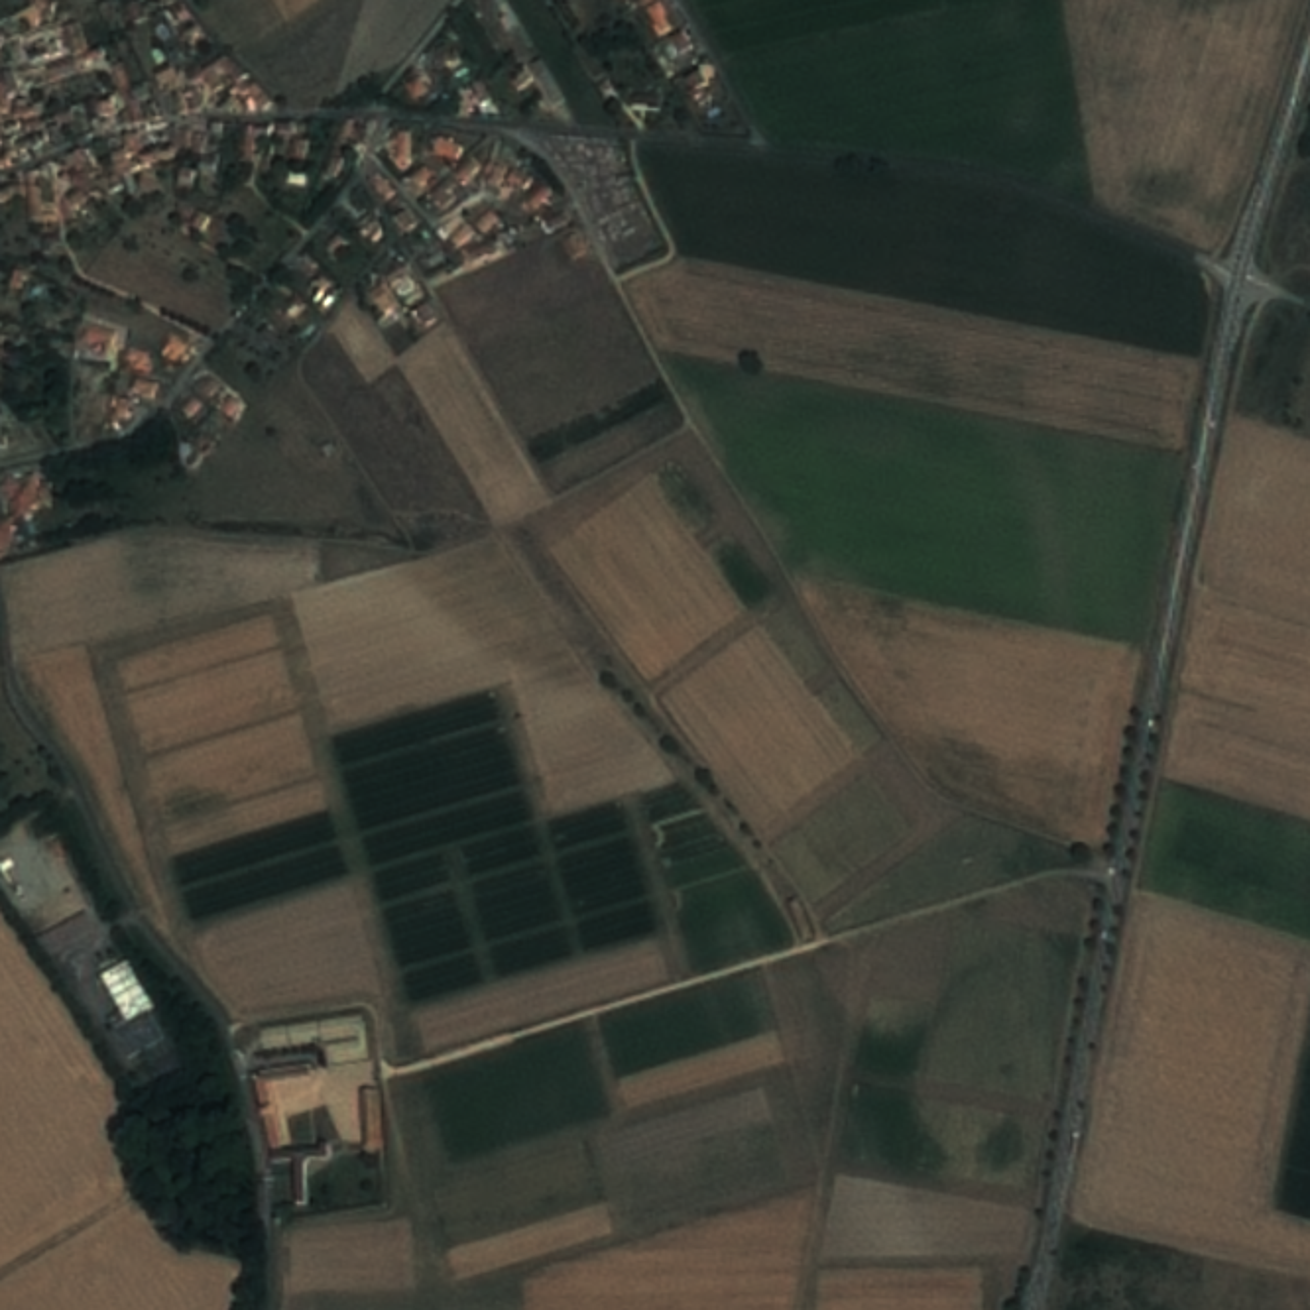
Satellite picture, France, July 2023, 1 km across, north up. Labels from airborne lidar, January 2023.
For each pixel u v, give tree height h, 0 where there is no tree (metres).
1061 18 0
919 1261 0
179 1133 20
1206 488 0
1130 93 0
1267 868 0
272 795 0
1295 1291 0
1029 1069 0
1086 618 0
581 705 0
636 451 0
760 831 0
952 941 0
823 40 0
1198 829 0
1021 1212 0
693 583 0
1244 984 0
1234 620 0
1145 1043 0
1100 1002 0
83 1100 0
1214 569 0
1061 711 0
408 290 0
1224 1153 0
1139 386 0
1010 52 0
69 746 0
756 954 0
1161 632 0
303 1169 0
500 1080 0
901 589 0
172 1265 0
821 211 0
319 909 0
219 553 0
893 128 0
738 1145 0
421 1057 0
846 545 0
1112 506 0
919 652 0
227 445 0
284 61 0
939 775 0
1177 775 0
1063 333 0
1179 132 0
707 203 0
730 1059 0
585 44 11
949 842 0
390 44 0
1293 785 0
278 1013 0
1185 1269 0
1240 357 0
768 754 0
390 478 0
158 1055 0
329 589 0
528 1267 0
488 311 0
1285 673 0
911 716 0
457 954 0
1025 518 0
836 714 0
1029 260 0
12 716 0
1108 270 0
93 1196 0
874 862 0
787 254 0
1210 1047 0
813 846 0
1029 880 0
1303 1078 0
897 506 0
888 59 0
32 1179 0
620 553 0
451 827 0
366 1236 0
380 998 0
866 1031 0
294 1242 0
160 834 0
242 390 0
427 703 0
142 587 0
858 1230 0
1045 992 0
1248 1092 0
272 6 0
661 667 0
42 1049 0
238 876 0
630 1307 0
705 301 0
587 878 0
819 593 0
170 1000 11
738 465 0
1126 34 0
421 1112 0
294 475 0
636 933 0
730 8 0
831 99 0
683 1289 0
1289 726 0
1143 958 0
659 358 0
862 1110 0
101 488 7
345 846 0
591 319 0
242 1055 0
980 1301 0
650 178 0
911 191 0
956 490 0
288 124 0
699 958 0
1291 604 0
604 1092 0
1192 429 0
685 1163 0
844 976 0
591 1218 0
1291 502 0
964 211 0
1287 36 0
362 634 0
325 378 0
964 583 0
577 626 0
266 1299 10
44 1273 0
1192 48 0
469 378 0
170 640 0
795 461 0
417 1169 0
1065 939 0
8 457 0
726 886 0
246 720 0
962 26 0
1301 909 0
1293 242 0
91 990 0
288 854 0
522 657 0
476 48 0
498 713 0
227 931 0
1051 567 0
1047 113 0
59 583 0
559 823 0
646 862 0
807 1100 0
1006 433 0
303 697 0
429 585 0
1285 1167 0
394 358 0
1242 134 0
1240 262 0
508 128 0
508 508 0
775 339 0
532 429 0
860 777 0
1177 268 0
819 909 0
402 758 0
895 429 0
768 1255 0
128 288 0
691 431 0
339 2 0
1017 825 0
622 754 0
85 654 0
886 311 0
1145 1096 0
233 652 0
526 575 0
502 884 0
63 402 13
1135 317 0
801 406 0
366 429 0
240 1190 25
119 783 0
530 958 0
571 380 0
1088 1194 0
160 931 0
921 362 0
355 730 0
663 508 0
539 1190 0
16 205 10
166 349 0
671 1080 0
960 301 0
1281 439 0
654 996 0
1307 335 0
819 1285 0
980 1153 0
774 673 0
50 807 7
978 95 0
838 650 0
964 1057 0
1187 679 0
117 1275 0
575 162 0
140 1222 0
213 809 0
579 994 0
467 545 0
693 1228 0
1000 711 0
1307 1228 0
